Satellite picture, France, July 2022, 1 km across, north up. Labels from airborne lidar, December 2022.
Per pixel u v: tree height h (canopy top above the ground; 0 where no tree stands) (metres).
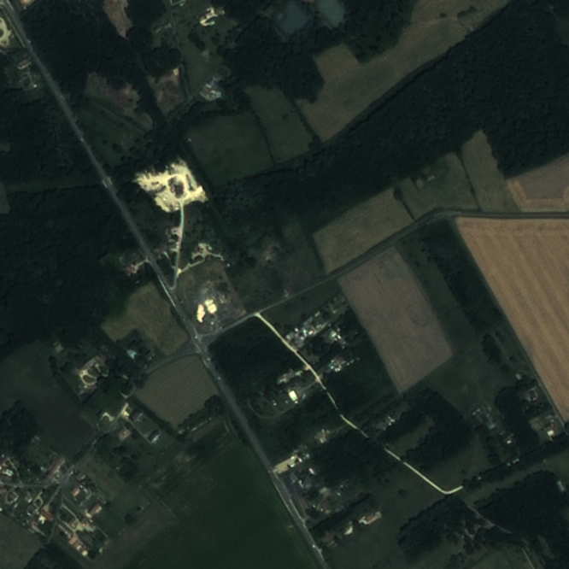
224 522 0
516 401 19
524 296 0
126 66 24
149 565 0
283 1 0
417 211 0
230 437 0
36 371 0
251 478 0
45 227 16
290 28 0
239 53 13
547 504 19
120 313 6
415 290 0
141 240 0
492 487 0
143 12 21
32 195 8
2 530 0
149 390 0
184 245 11
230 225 7
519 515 17
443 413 15
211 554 0
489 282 0
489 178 0
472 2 0
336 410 7
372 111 0
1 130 21
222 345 7
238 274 0
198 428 0
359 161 18
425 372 0
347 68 0
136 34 25
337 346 14
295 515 0
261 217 6
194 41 11
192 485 0
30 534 0
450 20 0
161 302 0
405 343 0
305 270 0
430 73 21
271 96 0
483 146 0
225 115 12
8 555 0
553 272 0
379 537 0
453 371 0
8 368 0
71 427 0
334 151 16
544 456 20
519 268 0
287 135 0
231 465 0
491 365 8
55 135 21
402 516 0
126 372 14
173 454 0
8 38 0
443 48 0
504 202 0
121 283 7
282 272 0
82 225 13
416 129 7
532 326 0
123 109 0
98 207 13
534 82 27
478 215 0
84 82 18
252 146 0
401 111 24
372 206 0
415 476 0
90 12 18
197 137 0
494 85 21
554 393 0
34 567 12
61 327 14
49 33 19
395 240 0
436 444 16
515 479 0
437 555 0
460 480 0
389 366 0
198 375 0
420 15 0
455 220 0
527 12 23
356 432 11
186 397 0
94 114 0
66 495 0
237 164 0
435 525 15
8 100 17
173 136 18
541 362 0
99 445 11
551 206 0
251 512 0
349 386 9
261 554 0
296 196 20
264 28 25
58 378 15
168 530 0
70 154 23
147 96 22
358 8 8
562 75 23
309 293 0
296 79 28
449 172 0
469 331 0
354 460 17
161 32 6
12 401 0
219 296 0
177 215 12
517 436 14
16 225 18
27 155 20
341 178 19
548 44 26
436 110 28
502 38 18
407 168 19
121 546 0
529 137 21
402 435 13
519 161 18
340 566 0
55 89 0
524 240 0
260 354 12
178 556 0
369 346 8
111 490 0
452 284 12
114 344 12
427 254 16
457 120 23
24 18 11
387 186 11
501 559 0
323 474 9
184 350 0
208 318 0
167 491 0
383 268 0
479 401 0
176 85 0
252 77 22
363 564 0
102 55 26
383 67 0
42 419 0
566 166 0
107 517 0
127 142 0
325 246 0
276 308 0
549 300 0
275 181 19
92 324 16
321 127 0
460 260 9
